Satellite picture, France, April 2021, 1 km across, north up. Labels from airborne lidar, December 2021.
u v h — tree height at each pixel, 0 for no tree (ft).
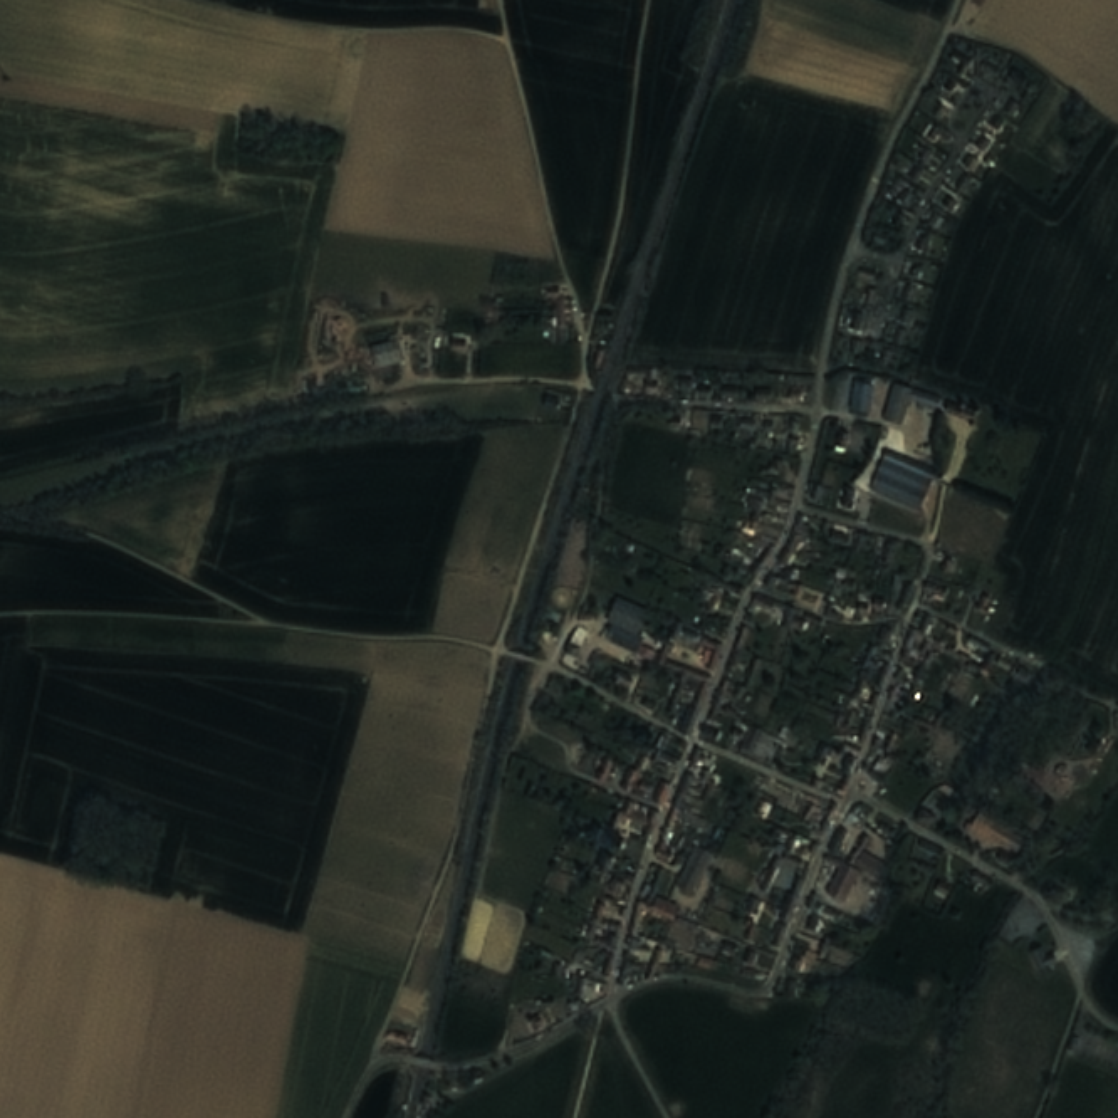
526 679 37
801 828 0
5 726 0
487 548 0
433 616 0
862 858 0
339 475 0
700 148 0
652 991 0
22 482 0
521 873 0
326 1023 0
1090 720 57
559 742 0
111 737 0
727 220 0
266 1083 0
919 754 20
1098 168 0
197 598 0
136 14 0
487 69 0
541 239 0
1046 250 0
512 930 0
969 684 0
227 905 0
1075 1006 0
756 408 0
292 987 0
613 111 0
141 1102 0
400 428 42
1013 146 0
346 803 0
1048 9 0
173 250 0
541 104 0
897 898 53
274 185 0
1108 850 0
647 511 0
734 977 0
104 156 0
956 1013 21
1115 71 0
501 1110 0
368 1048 0
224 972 0
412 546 0
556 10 0
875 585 19
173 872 0
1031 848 48
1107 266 0
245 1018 0
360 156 0
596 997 0
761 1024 0
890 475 0
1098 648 0
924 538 0
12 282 0
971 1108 0
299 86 0
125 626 0
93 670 0
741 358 0
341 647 0
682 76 0
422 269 0
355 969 0
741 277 0
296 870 0
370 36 0
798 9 0
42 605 0
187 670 0
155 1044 0
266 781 0
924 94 25
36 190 0
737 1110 0
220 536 0
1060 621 0
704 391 0
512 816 0
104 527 0
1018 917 0
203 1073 0
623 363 0
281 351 0
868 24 0
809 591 0
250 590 0
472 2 0
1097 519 0
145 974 0
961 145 0
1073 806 0
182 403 0
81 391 24
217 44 0
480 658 0
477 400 0
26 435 0
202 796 0
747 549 0
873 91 0
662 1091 0
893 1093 0
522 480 0
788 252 0
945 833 26
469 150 0
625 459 0
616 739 22
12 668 0
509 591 0
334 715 0
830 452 19
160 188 0
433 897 0
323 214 0
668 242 0
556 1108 0
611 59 0
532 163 0
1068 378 0
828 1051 26
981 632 0
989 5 0
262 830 0
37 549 0
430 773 0
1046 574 0
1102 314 0
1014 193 0
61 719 0
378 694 0
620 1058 0
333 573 0
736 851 0
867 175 0
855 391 0
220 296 0
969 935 0
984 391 0
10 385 0
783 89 0
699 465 0
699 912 0
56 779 0
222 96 0
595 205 0
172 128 0
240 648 0
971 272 0
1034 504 0
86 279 0
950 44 22
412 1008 0
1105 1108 0
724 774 0
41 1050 0
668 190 0
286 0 0
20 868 0
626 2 0
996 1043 0
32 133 0
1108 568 0
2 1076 0
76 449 0
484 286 0
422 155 0
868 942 28
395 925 0
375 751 0
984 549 0
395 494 0
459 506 0
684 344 0
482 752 44
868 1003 74
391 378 0
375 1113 0
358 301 0
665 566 22
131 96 0
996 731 60
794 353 0
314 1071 0
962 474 0
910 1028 71
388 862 0
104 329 0
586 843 26
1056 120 0
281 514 0
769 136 0
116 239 0
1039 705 94
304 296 0
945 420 36
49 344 0
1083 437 0
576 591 0
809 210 0
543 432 0
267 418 53
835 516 0
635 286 0
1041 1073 0
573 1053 0
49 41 0
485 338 54
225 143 0
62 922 0
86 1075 0
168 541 0
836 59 0
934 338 0
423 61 0
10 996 0
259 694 0
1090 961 0
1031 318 0
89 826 72
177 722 0
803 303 0
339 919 0
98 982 0
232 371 0
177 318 0
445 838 0
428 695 0
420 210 0
